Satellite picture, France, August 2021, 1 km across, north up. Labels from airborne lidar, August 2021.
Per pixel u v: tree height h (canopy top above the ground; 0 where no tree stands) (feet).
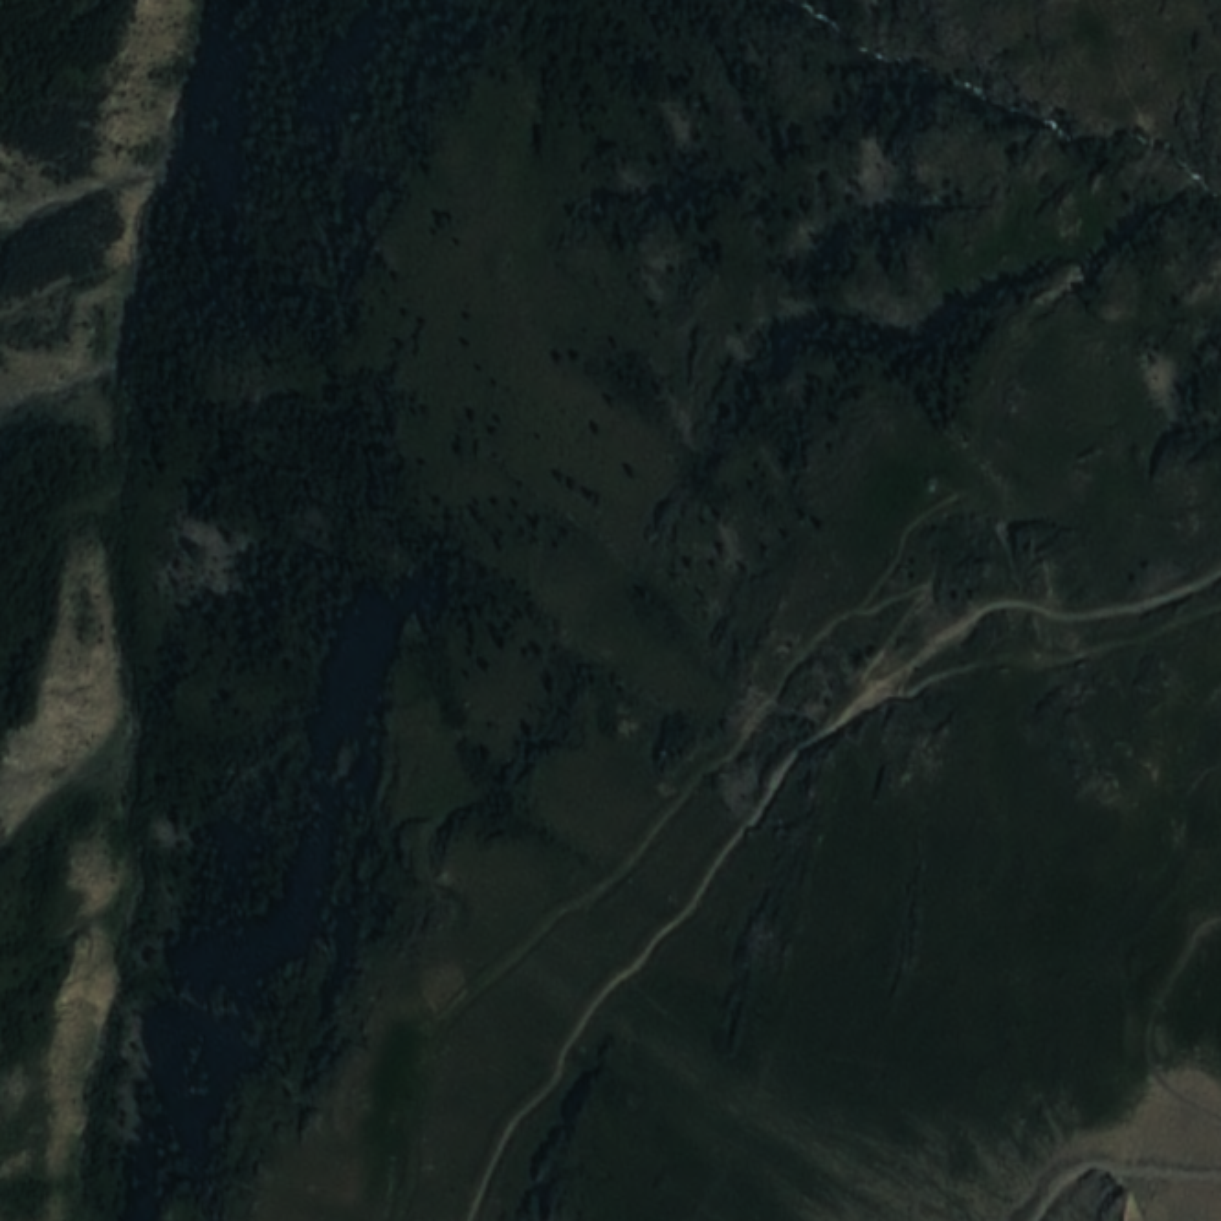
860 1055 0
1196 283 0
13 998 23
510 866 0
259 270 61
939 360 34
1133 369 0
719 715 0
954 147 0
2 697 27
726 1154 0
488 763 42
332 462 24
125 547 18
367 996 0
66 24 26
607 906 0
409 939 0
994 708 0
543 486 0
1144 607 0
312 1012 0
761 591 0
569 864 0
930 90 21
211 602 23
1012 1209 0
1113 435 0
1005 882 0
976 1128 0
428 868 0
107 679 0
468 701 0
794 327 0
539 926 0
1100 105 0
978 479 0
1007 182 0
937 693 0
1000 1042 0
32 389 0
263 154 27
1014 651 0
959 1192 0
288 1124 0
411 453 0
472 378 0
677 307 0
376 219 38
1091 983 0
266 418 22
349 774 0
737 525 0
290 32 35
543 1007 0
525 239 0
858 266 33
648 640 0
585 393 0
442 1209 0
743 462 0
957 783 0
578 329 0
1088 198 0
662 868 0
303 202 38
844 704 0
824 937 0
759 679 0
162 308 25
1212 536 0
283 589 43
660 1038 0
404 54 30
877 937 0
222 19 46
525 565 0
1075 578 0
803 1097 0
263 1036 25
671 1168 0
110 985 0
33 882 20
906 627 0
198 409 18
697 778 0
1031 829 0
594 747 0
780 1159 0
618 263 0
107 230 25
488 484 0
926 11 0
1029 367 0
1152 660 0
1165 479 0
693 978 0
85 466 43
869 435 0
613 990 0
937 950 0
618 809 0
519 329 0
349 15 33
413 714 0
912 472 0
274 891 36
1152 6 0
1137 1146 0
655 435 0
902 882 0
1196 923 0
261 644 50
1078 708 0
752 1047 0
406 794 0
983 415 0
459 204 0
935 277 0
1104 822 0
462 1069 0
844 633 0
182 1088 23
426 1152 0
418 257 0
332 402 28
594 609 0
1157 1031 0
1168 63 0
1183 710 0
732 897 0
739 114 0
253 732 0
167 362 17
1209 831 0
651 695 0
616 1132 0
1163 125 0
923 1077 0
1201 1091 0
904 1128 0
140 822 22
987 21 0
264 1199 0
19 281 32
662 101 23
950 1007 0
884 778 0
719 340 0
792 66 0
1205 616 0
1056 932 0
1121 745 0
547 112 38
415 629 28
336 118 22
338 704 0
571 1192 0
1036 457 0
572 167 0
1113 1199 0
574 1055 0
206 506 53
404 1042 0
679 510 0
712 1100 0
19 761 0
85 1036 0
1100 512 0
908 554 0
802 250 0
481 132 0
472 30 40
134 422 18
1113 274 0
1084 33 0
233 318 20
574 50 35
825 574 0
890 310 0
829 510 0
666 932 0
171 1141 43
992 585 0
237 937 44
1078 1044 0
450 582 35
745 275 0
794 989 0
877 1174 0
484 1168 0
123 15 54
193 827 30
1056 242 0
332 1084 0
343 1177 0
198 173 33
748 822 0
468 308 0
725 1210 0
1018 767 0
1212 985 0
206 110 27
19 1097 0
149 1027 0
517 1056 0
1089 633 0
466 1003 0
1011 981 0
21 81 36
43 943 22
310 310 66
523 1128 0
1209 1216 0
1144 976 0
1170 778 0
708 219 48
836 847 0
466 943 0
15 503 55
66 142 40
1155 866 0
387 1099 0
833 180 23
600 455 0
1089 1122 0
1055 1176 0
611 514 0
